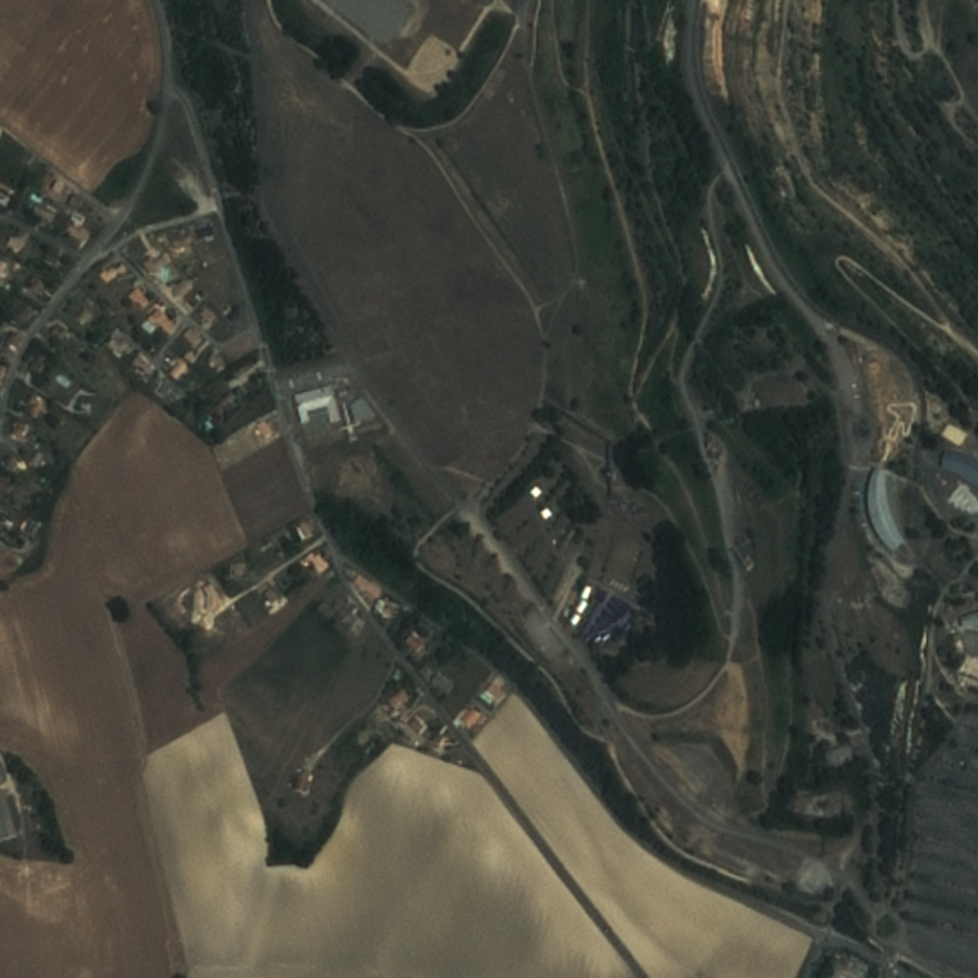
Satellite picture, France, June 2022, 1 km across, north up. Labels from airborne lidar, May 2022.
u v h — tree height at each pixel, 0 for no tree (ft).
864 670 23
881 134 46
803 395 0
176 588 0
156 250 0
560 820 0
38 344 34
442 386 0
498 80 0
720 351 31
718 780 0
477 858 0
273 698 0
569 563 0
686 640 64
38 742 0
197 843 0
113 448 0
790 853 0
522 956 0
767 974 0
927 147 46
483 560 0
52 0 0
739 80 0
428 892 0
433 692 38
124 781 0
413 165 0
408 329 0
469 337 0
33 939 0
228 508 0
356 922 0
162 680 0
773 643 41
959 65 0
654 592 66
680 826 0
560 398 0
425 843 0
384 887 0
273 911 0
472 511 0
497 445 0
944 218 42
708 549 0
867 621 0
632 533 0
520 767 0
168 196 0
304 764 0
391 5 0
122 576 0
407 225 0
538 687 31
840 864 0
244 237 28
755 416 42
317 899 0
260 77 0
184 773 0
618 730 0
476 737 0
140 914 0
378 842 0
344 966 0
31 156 0
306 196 0
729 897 0
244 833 0
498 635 30
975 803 0
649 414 22
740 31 0
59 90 0
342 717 0
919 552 0
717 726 0
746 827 0
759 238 0
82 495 0
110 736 0
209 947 0
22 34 0
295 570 26
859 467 0
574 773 0
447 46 0
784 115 0
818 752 26
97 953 0
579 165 19
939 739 22
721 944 0
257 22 0
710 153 39
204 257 0
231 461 0
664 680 0
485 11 0
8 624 0
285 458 0
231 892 0
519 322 0
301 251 0
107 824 0
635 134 52
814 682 0
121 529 0
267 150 0
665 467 0
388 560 37
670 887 0
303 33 21
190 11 21
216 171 22
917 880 21
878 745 33
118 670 0
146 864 0
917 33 32
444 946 0
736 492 0
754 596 0
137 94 0
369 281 0
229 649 0
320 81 0
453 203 0
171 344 0
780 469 23
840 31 40
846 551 0
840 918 40
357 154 0
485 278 0
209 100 32
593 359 0
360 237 0
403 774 0
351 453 0
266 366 0
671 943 0
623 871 0
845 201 0
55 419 33
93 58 0
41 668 0
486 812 0
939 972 0
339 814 23
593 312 0
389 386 0
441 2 0
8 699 0
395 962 0
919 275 0
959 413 56
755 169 21
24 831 0
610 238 0
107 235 0
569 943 0
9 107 0
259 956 0
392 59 0
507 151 0
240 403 23
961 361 49
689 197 62
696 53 0
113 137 0
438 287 0
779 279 0
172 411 28
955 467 0
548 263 0
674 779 0
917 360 48
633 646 48
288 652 0
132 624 0
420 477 0
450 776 0
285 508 0
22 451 31
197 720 0
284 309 27
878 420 0
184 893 0
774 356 19
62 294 0
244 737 0
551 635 0
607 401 0
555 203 0
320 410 0
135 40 0
